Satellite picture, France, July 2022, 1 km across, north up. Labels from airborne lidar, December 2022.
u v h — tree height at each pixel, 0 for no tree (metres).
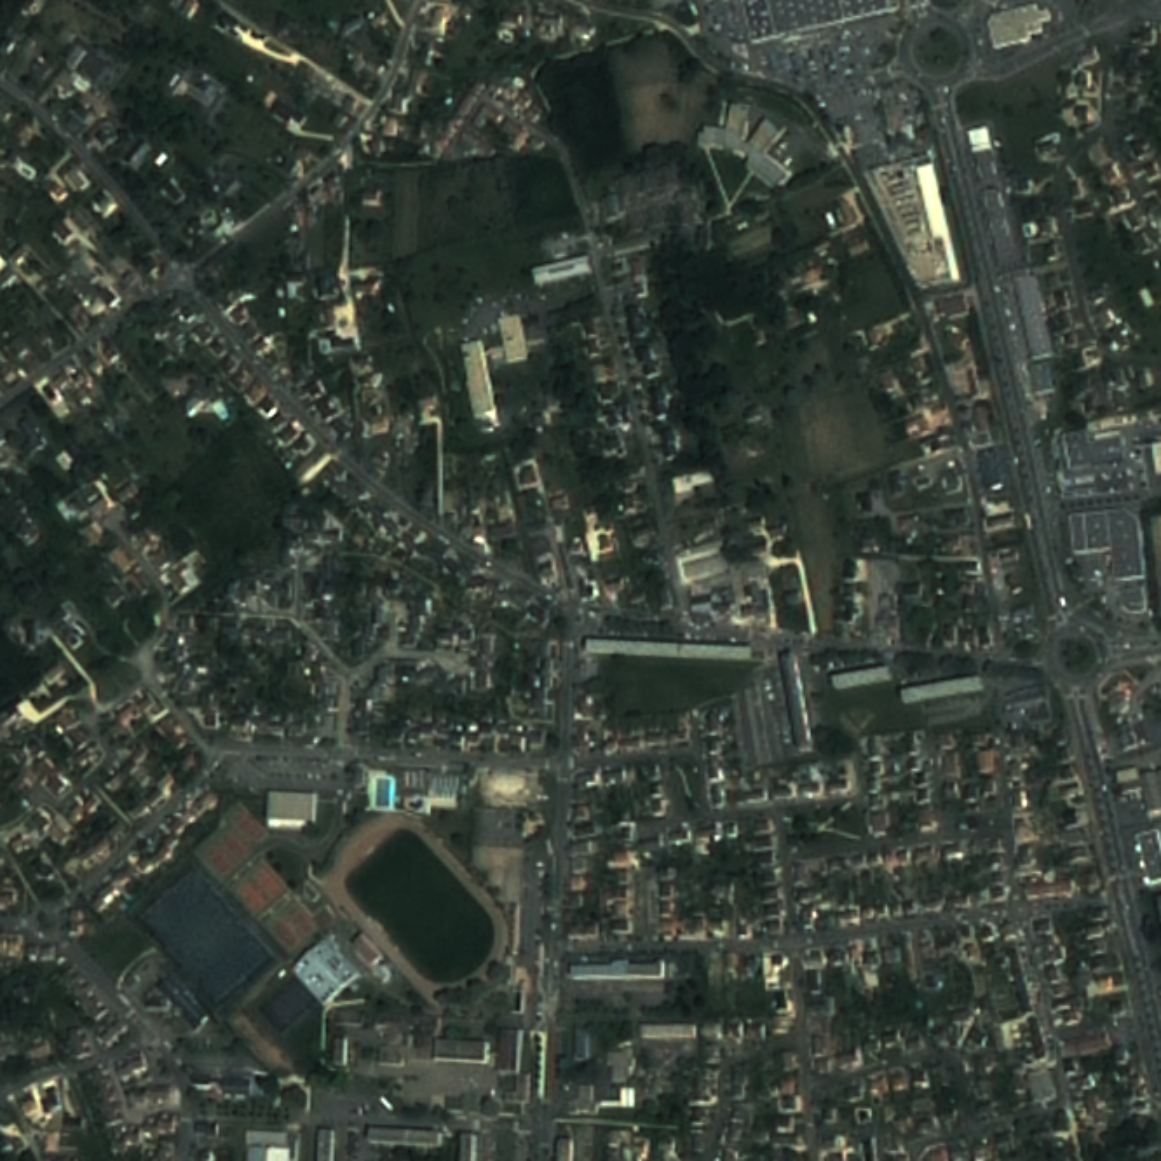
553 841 0
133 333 8
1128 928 0
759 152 0
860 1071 0
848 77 0
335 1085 9
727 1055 9
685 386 13
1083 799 7
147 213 7
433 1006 0
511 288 6
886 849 6
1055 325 8
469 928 0
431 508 6
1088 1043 0
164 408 6
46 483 15
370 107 0
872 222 8
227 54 0
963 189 0
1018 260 0
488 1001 0
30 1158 17
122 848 0
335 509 6
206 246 10
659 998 0
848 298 0
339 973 0
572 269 0
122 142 7
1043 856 0
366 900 0
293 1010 0
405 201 0
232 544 0
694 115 0
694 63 12
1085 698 0
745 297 10
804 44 0
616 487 7
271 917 0
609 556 0
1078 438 0
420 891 0
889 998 8
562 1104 0
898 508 0
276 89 0
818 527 0
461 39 0
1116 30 0
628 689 0
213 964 0
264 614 0
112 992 0
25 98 0
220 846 0
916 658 14
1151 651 0
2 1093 0
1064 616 0
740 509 9
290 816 0
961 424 0
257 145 0
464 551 0
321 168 0
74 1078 0
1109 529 0
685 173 9
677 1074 7
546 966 0
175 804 0
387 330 9
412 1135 0
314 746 0
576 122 12
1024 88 0
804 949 0
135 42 7
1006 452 0
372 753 0
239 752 0
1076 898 0
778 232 9
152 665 0
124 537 0
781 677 0
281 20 6
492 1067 0
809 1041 0
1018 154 0
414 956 0
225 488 0
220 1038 0
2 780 7
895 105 0
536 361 9
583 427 14
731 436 8
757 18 0
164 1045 0
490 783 0
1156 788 0
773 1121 6
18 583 15
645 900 0
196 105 0
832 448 0
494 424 0
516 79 0
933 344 0
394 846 0
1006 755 0
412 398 9
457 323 0
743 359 0
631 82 0
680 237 10
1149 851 0
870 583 0
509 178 0
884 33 0
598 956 6
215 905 0
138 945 0
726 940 0
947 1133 0
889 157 0
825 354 0
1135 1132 11
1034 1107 0
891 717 0
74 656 0
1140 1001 0
